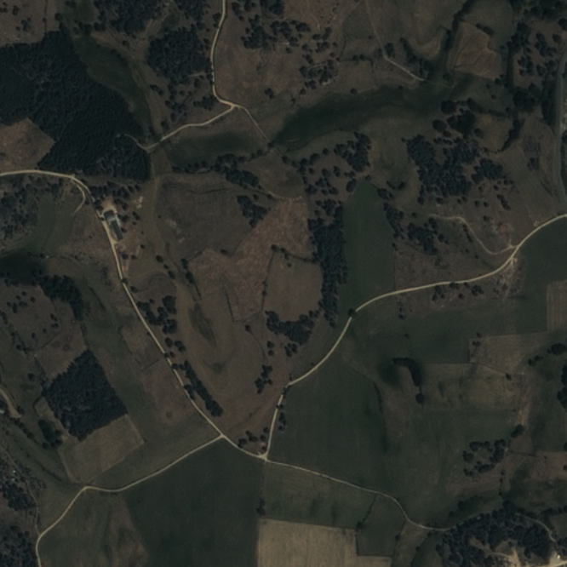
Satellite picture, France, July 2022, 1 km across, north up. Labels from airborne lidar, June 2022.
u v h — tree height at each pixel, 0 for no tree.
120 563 0
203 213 0
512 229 0
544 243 0
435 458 0
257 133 0
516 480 0
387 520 0
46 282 17
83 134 11
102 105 12
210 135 0
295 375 0
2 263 0
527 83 0
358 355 0
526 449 0
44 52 21
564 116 0
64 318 0
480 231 0
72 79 22
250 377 0
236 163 12
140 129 13
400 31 0
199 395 13
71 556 0
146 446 0
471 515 0
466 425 0
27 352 7
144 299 0
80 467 0
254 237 0
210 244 0
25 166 0
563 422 0
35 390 0
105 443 0
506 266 0
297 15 0
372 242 0
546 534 15
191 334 0
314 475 0
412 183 0
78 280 0
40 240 0
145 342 0
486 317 0
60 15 14
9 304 10
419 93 0
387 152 0
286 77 0
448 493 0
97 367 17
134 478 0
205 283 0
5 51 14
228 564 0
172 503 0
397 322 0
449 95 0
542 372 0
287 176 0
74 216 0
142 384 0
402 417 0
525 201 0
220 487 0
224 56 0
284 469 0
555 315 0
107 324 0
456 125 10
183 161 0
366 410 0
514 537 13
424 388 0
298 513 0
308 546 0
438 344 0
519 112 0
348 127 0
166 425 0
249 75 0
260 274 0
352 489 0
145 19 14
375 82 0
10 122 18
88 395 20
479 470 13
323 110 0
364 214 0
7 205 10
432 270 0
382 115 0
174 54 19
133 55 0
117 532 0
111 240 0
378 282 0
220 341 0
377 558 0
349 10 0
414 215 10
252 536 0
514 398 0
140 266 0
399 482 0
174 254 0
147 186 0
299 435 0
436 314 0
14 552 11
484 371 0
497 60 0
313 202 0
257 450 0
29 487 0
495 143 0
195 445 0
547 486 0
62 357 0
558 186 0
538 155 0
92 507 0
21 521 0
